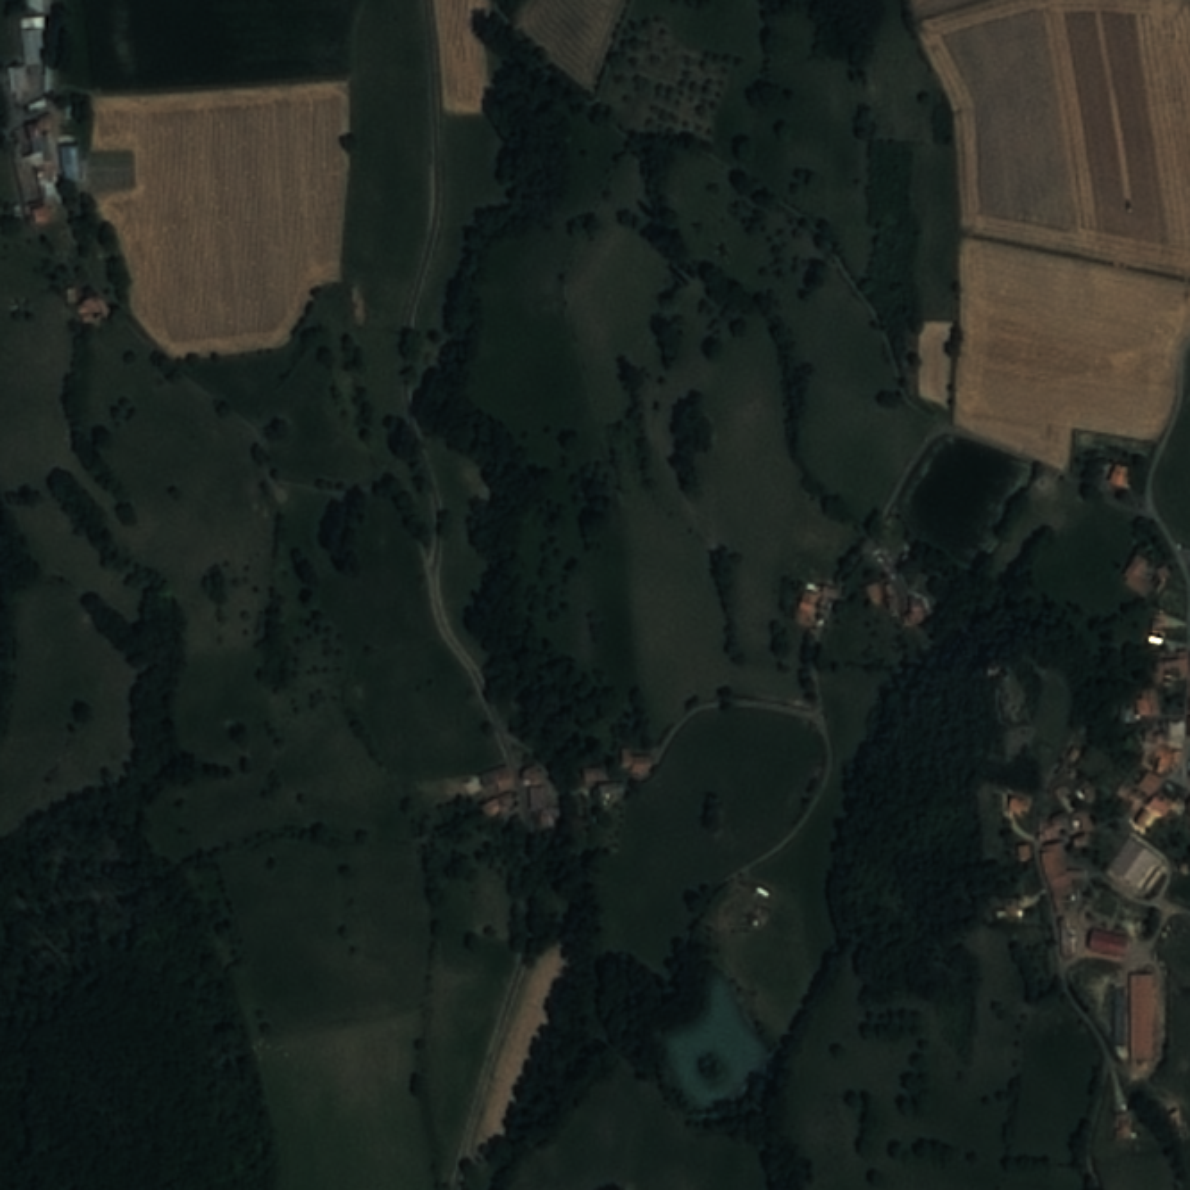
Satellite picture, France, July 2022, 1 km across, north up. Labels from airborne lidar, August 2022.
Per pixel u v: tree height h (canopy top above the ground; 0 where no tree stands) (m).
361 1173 0
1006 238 0
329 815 0
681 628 0
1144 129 0
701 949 13
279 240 0
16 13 7
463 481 0
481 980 0
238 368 0
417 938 0
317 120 0
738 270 0
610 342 0
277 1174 10
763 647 0
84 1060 24
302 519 0
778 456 0
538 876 15
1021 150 0
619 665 0
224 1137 23
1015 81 0
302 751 0
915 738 10
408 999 0
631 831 0
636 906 0
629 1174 0
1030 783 9
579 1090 18
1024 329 0
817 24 7
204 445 0
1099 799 7
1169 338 0
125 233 0
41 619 0
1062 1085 0
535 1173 0
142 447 0
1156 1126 20
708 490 0
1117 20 0
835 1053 9
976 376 0
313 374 0
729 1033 0
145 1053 19
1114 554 0
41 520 0
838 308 0
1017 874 6
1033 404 0
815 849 0
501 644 24
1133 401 0
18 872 9
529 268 0
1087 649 9
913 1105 10
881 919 11
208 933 14
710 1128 12
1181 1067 0
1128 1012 0
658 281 0
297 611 0
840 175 0
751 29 0
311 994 0
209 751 0
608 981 22
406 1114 0
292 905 0
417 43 0
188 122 0
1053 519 0
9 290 0
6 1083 17
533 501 25
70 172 0
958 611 10
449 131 0
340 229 0
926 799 8
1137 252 0
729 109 0
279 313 0
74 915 22
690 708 8
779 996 0
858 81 11
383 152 0
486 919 0
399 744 0
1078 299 0
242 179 0
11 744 0
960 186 0
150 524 0
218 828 0
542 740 13
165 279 0
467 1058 0
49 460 0
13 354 0
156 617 15
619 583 0
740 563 7
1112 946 0
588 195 0
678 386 0
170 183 0
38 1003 19
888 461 0
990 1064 0
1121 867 0
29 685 0
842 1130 0
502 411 0
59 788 0
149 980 20
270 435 9
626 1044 17
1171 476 0
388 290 0
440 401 25
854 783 12
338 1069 0
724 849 0
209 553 0
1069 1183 0
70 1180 18
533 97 18
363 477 0
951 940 10
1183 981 0
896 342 7
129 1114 21
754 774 0
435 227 0
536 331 0
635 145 9
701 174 0
